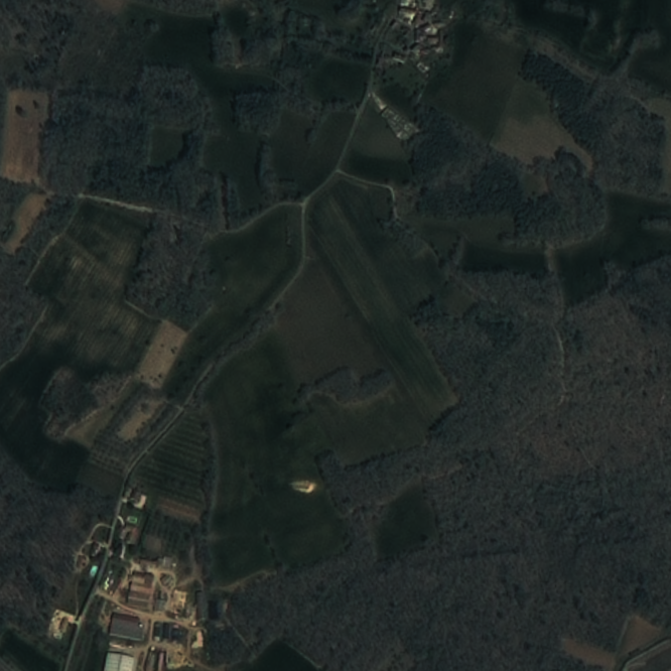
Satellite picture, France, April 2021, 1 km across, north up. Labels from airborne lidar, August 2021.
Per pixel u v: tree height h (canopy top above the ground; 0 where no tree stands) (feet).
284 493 0
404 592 45
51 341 0
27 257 37
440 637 58
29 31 56
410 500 0
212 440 43
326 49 55
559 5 66
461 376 65
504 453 44
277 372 0
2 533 37
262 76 0
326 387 48
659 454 38
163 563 0
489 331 67
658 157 51
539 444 22
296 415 30
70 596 0
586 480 29
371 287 0
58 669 0
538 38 32
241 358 0
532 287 54
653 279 70
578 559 54
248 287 0
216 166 0
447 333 28
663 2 0
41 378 0
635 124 64
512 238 25
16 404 0
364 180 0
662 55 0
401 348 0
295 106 48
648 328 41
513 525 23
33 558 53
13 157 0
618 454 46
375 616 52
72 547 63
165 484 24
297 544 0
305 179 0
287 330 0
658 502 55
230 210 59
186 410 27
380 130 0
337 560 39
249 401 0
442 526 54
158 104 53
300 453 0
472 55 0
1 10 43
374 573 46
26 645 0
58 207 41
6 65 0
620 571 63
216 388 0
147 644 0
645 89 32
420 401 0
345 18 59
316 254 0
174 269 38
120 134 59
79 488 22
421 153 50
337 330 0
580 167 55
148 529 26
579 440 36
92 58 0
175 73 43
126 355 0
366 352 0
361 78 0
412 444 0
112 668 0
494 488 30
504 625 36
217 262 0
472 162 47
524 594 48
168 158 0
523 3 0
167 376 0
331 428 0
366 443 0
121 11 0
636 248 0
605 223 55
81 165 56
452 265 58
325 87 0
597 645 54
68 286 0
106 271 0
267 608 33
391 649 52
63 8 48
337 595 30
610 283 45
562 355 52
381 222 33
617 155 67
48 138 47
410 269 0
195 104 23
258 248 0
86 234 0
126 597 35
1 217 45
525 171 47
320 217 0
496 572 51
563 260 0
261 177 63
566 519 35
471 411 61
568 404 25
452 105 0
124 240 0
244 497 0
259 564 0
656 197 46
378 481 57
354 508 34
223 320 0
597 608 44
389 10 0
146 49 0
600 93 63
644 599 60
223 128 0
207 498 55
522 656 33
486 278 53
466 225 0
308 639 24
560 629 39
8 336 32
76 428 0
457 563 51
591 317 40
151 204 33
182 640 0
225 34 0
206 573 41
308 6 0
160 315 40
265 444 0
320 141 0
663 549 50
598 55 0
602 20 0
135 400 24
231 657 48
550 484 19
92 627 25
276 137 0
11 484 54
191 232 46
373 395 49
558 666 64
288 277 0
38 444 0
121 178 47
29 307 49
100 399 0
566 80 46
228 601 44
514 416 31
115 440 20
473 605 56
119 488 0
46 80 0
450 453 49
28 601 50
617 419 36
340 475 63
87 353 0
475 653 53
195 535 45
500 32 0
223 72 0
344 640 30
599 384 21
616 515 54
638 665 0
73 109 62
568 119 64
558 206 64
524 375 61
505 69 0
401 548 0
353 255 0
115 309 0
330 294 0
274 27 61
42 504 51
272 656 0
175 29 0
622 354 40
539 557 52
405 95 40
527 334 52
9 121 0
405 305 0
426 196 62
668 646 0
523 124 0
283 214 0
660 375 38
